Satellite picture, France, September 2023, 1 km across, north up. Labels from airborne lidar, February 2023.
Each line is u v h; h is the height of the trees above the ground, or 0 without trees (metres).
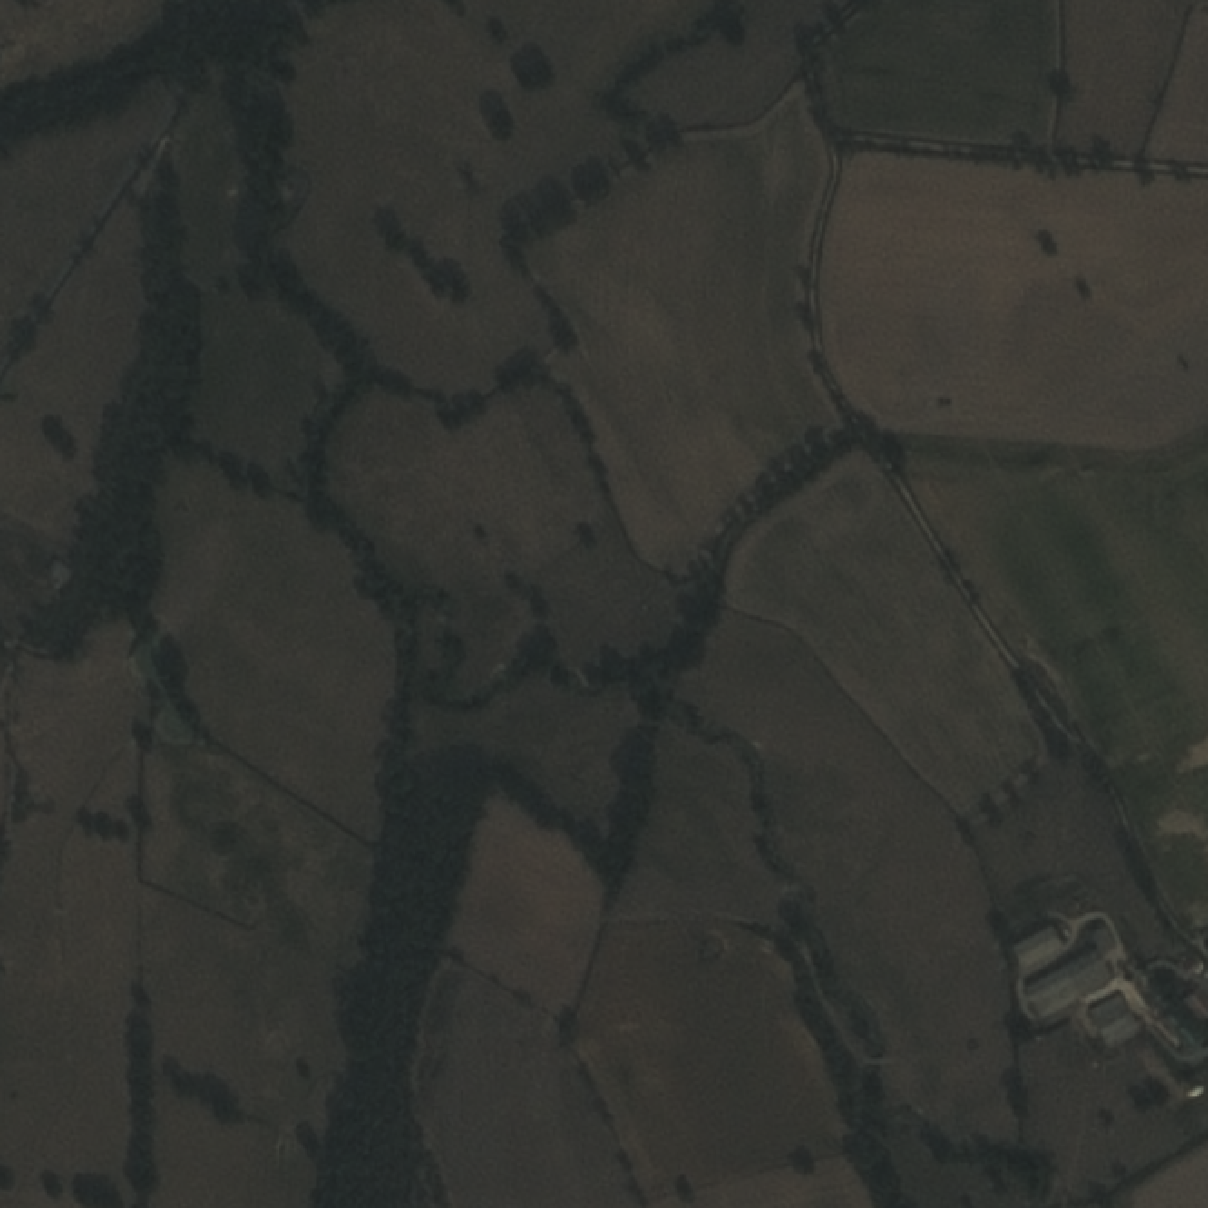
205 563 0
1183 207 0
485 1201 0
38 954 0
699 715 10
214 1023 0
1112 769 0
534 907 0
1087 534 0
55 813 0
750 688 0
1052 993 0
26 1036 0
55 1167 0
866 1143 16
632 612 0
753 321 0
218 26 25
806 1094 0
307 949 0
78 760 0
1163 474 0
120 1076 0
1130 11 0
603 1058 0
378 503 0
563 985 0
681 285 0
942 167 0
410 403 0
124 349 0
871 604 0
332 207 0
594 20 0
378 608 15
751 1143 0
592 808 0
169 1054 0
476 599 0
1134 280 0
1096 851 0
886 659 0
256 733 0
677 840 0
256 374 0
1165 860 0
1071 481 0
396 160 0
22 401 0
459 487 0
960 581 0
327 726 0
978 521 0
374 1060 19
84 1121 0
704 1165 0
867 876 0
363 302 0
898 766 0
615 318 0
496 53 0
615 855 6
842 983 0
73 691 0
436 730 0
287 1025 0
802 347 0
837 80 0
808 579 0
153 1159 11
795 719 0
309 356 0
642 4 0
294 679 0
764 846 17
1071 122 0
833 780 0
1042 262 0
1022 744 0
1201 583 0
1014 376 0
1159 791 0
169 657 16
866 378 0
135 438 14
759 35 0
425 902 20
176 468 0
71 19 0
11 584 0
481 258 0
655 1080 0
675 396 0
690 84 0
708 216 0
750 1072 0
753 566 0
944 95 0
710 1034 0
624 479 0
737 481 0
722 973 0
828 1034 17
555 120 0
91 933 0
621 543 0
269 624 0
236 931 0
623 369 0
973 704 0
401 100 0
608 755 0
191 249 0
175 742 0
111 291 0
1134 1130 0
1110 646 0
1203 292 0
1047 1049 0
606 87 0
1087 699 0
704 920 0
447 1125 0
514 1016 0
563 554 0
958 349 0
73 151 0
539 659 20
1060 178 0
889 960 0
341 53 0
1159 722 0
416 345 0
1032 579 0
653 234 0
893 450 19
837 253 0
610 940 0
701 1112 0
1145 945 0
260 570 0
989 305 0
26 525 0
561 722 0
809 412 0
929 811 0
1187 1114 0
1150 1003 0
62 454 12
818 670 0
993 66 0
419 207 0
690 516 0
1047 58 0
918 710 0
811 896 0
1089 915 0
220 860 0
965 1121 0
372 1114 19
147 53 13
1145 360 0
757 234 0
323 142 0
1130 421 0
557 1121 0
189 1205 0
